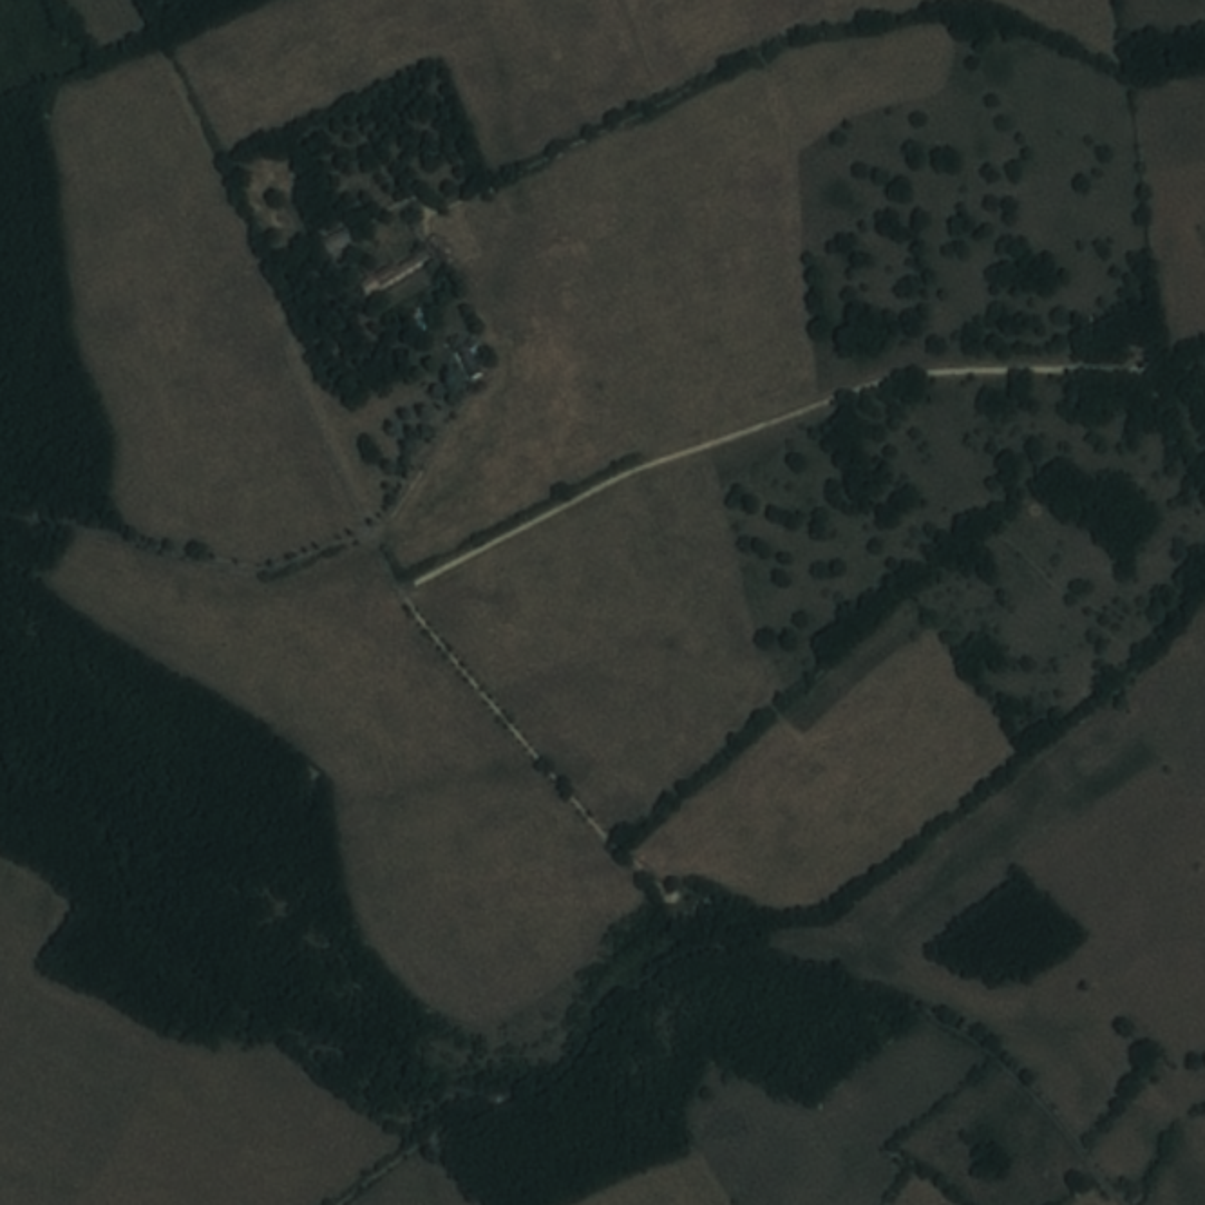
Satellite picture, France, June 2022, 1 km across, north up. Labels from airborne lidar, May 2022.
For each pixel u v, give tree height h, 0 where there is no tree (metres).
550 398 0
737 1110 0
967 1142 11
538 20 0
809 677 9
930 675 0
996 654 12
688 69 0
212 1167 0
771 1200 0
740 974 11
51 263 12
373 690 0
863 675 0
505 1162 10
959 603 0
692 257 0
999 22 15
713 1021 9
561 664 0
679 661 0
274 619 0
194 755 9
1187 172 0
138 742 9
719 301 0
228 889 7
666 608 0
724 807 0
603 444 0
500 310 0
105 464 10
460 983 0
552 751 0
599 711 0
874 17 13
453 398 14
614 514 0
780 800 0
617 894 0
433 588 0
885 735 0
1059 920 12
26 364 11
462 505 0
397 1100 10
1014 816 0
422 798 0
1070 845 0
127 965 16
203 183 0
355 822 0
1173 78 10
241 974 9
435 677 0
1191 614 14
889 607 10
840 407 10
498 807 0
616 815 0
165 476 0
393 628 0
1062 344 10
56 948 17
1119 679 12
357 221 16
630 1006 15
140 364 0
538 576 0
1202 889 0
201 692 12
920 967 0
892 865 9
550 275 0
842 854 0
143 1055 0
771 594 0
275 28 0
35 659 8
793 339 0
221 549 0
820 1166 0
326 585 0
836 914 13
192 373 0
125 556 0
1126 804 0
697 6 0
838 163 0
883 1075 0
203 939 11
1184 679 0
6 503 14
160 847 10
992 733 0
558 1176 11
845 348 15
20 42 0
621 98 0
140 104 0
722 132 0
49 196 11
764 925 11
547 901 0
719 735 0
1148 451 0
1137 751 0
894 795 0
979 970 15
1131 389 14
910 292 11
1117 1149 0
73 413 10
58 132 0
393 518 0
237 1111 0
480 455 0
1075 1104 0
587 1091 14
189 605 0
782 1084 9
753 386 0
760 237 0
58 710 8
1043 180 0
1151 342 14
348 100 12
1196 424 11
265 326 0
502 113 0
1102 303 8
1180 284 0
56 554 9
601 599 0
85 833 12
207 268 0
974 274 0
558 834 0
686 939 11
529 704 0
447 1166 13
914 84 0
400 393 0
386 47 0
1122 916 0
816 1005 10
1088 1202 0
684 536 0
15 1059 0
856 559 0
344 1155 0
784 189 0
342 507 0
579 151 0
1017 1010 0
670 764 0
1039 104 0
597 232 0
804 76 0
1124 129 0
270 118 0
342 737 0
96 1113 0
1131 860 0
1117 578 9
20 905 0
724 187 0
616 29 0
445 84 8
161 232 0
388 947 0
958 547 11
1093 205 0
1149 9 0
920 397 10
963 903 0
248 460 0
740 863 0
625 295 0
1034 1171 0
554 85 0
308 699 0
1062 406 9
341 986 6
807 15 0
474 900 0
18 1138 0
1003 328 10
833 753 0
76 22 14
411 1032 8
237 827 12
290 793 15
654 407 0
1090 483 12
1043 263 12
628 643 0
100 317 0
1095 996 0
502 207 0
